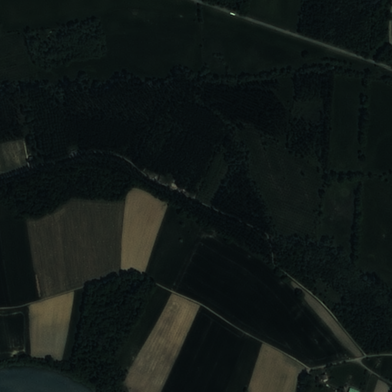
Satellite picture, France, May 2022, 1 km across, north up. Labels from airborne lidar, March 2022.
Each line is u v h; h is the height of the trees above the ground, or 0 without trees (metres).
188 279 0
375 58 13
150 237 0
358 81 0
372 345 18
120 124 0
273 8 0
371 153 0
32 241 0
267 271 0
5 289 0
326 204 0
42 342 0
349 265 24
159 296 0
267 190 0
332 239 7
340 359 0
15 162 0
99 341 32
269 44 0
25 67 0
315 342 0
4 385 0
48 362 18
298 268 12
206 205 0
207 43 0
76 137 0
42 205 13
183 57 0
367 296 21
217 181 0
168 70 0
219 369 0
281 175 0
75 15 0
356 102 0
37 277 0
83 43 22
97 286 21
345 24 15
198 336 0
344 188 0
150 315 0
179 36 0
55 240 0
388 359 0
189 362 0
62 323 0
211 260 0
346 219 0
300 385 15
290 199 0
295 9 0
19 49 0
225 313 0
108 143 0
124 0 0
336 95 0
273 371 0
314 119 0
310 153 15
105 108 0
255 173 0
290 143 8
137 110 0
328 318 0
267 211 19
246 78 20
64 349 0
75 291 0
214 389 0
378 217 0
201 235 0
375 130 0
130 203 0
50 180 11
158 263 0
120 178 7
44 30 20
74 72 0
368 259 0
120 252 0
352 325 14
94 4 0
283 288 0
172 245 0
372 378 0
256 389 0
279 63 0
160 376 0
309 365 0
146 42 0
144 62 0
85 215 0
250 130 0
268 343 0
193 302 0
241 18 0
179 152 0
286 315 0
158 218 0
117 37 0
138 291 30
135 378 0
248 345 0
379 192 0
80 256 0
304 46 0
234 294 0
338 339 0
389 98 0
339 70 16
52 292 0
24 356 11
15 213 10
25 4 0
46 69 21
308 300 0
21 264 0
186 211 17
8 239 0
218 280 0
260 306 0
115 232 0
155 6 0
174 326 0
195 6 0
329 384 0
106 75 0
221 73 0
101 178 12
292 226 0
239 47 0
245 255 0
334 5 16
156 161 0
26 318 0
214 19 0
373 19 8
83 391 0
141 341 0
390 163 0
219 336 0
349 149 0
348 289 21
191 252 0
